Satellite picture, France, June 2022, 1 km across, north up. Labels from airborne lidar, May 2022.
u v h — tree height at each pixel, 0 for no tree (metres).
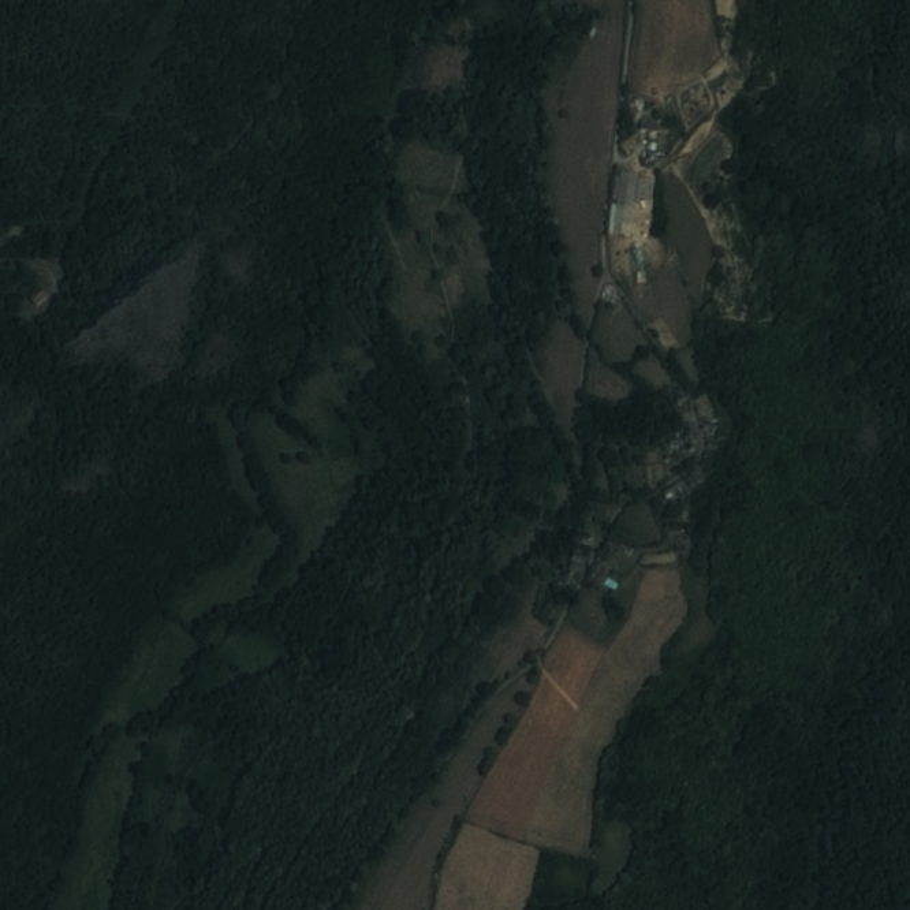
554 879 0
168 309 0
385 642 14
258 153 18
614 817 16
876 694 32
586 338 8
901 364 17
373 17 25
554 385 0
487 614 16
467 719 13
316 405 0
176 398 20
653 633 0
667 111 0
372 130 28
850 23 19
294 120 14
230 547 20
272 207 19
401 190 13
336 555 14
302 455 15
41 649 16
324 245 32
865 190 18
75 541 14
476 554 8
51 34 10
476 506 15
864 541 23
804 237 20
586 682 0
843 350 30
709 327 11
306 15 23
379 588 11
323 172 15
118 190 21
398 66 15
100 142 12
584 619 0
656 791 21
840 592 19
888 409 18
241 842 17
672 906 15
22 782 19
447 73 0
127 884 21
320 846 15
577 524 12
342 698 16
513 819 0
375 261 17
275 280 14
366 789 12
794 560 18
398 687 15
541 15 13
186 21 17
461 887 0
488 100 16
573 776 0
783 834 23
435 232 0
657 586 0
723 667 7
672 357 7
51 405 19
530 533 0
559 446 16
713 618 15
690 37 0
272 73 9
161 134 18
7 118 14
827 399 14
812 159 22
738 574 16
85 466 12
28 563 17
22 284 7
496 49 25
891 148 11
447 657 16
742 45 14
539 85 17
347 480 0
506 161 19
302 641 24
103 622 18
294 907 16
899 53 8
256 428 0
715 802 16
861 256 19
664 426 7
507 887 0
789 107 11
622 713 0
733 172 21
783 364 17
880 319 15
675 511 12
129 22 11
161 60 12
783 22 19
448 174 0
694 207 0
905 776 18
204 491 15
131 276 11
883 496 19
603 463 15
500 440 13
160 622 0
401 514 11
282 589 0
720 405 10
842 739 14
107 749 21
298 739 14
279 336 20
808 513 13
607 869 0
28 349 29
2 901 18
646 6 0
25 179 16
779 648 12
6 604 10
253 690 21
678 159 0
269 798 13
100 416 11
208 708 18
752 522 17
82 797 8
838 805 14
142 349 7
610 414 11
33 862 22
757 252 14
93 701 16
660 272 0
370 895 0
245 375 13
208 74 9
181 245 9
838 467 11
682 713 11
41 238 13
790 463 16
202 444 15
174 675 0
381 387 22
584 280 0
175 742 0
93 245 22
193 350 12
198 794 19
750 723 17
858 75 16
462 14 21
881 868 24
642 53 0
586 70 0
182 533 15
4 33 10
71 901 0
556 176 0
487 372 14
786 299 15
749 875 14
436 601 6
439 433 10
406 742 12
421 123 18
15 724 23
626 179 0
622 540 9
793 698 22
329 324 26
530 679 11
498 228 20
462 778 0
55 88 14
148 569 18
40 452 18
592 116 0
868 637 10
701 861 20
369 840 17
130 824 13
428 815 0
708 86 0
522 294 17
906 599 16
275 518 21
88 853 0
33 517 14
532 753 0
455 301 0
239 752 20
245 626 18
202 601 0
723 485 10
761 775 19
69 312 18
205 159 14
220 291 8
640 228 0
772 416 15
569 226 0
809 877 30
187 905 6
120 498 14
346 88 26
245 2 16
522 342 14
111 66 11
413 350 12
